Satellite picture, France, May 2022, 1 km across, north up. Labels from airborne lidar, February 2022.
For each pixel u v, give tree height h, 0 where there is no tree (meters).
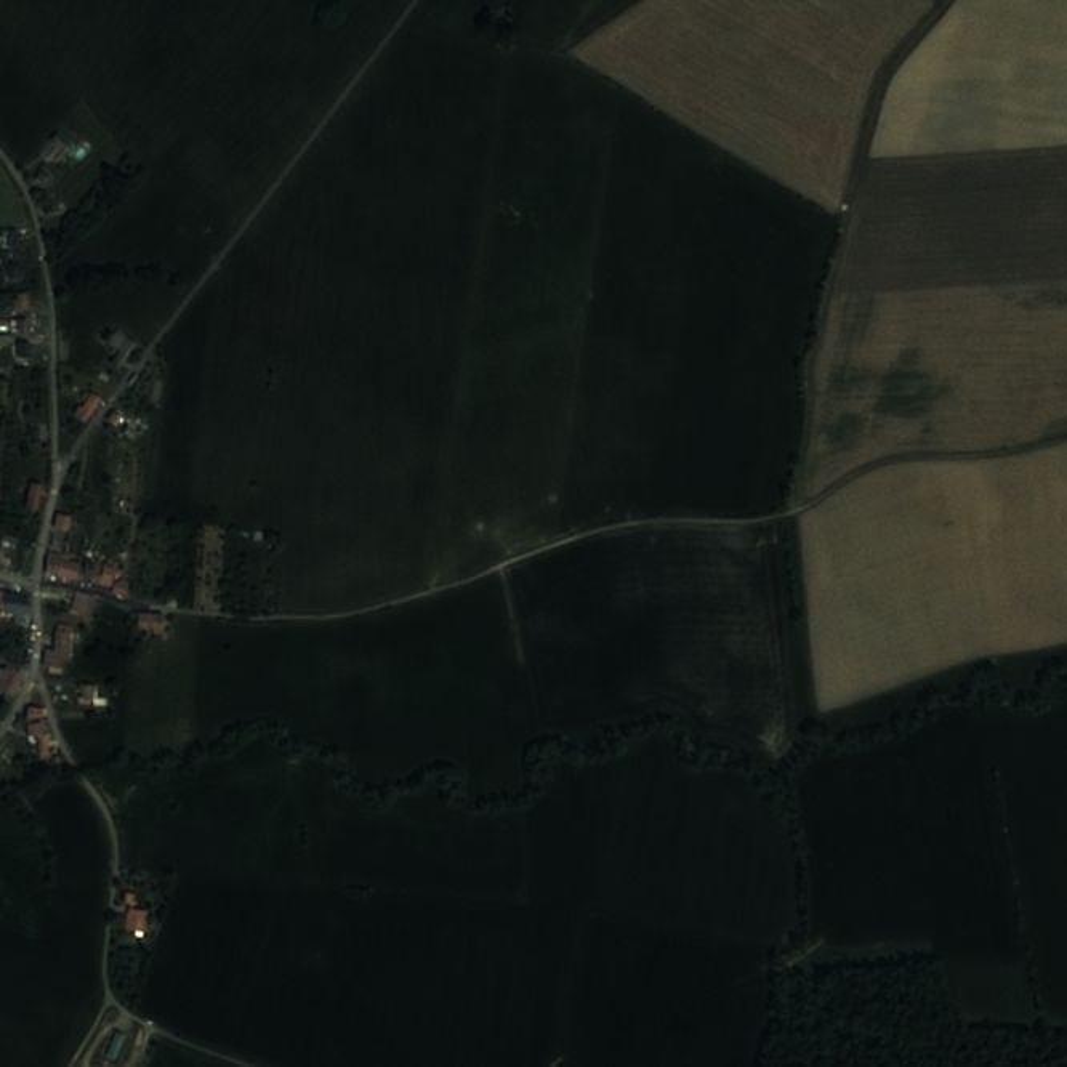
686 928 0
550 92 0
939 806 0
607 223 0
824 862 0
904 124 0
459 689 0
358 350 0
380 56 0
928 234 0
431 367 0
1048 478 0
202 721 0
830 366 0
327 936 0
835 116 0
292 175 0
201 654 0
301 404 0
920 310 0
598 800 0
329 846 0
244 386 0
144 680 0
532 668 0
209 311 0
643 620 0
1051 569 0
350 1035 0
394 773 0
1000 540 0
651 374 0
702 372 0
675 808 0
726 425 0
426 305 0
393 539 0
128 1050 0
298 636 0
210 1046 0
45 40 0
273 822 0
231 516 0
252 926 0
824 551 0
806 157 0
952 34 0
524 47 0
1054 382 0
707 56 0
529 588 0
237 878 0
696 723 0
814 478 0
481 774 0
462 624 0
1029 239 0
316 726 0
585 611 0
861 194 0
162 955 0
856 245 0
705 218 0
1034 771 0
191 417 0
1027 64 0
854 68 0
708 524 0
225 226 0
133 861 0
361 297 0
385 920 0
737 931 0
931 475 0
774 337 0
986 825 0
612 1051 0
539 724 0
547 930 0
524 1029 0
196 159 0
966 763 0
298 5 0
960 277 0
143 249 0
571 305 0
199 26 0
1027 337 0
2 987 0
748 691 0
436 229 0
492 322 0
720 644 0
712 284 0
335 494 0
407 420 0
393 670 0
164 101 0
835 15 0
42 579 0
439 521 0
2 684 0
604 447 0
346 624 0
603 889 0
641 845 0
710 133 0
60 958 0
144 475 0
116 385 0
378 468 0
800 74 0
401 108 0
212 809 0
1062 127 0
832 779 0
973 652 0
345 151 0
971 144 0
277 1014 0
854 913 0
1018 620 0
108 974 0
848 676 0
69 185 0
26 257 0
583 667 0
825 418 0
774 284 0
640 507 0
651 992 0
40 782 23
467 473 0
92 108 0
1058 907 0
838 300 0
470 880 0
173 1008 0
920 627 0
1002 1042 20
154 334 0
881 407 0
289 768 0
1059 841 0
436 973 0
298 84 0
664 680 0
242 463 0
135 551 10
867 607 0
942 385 0
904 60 0
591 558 0
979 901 0
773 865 0
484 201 0
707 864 0
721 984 0
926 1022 19
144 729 0
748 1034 0
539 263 0
